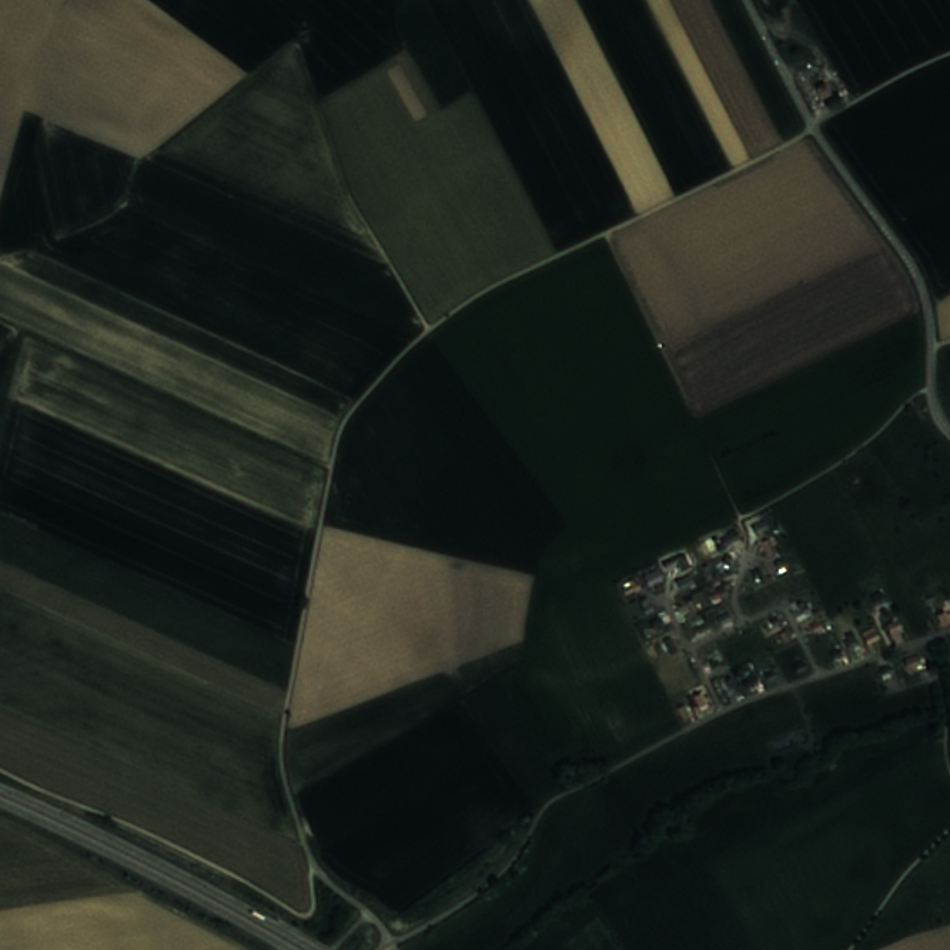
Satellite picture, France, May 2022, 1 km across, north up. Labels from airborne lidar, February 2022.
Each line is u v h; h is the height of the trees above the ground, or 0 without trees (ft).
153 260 0
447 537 0
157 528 0
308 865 0
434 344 0
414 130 0
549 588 0
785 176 0
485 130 0
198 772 0
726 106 0
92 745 0
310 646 0
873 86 0
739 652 0
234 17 0
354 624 0
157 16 0
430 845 0
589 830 0
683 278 0
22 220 0
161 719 0
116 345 0
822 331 0
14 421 0
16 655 0
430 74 0
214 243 0
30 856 0
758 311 0
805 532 0
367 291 0
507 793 0
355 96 0
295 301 0
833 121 0
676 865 0
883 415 0
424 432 0
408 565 0
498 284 0
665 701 0
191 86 0
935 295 0
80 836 0
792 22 0
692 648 0
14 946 0
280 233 0
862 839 0
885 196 0
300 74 0
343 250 0
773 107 0
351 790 0
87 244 0
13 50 0
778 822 0
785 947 0
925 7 0
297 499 0
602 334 0
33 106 0
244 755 0
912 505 43
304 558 0
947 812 0
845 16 0
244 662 0
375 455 0
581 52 0
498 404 0
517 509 0
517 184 0
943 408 0
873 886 0
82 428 0
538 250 0
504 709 0
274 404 0
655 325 0
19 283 0
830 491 0
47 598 0
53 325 0
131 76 0
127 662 0
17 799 0
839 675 0
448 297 0
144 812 0
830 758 53
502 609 0
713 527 0
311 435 0
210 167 0
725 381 0
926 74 0
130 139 0
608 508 0
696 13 0
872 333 0
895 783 0
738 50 0
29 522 0
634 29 0
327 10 0
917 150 0
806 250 0
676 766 0
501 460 0
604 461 0
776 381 0
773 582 0
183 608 0
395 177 0
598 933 0
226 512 0
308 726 0
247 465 0
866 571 0
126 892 0
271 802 0
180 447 0
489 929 0
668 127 0
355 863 0
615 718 0
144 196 0
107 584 0
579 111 0
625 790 0
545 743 0
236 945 0
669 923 0
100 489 0
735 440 0
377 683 0
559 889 0
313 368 0
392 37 0
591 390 0
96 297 0
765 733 0
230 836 0
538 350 0
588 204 0
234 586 0
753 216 0
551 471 0
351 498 0
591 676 0
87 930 0
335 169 0
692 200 0
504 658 0
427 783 0
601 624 0
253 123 0
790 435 0
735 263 0
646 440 0
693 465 0
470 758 0
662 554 0
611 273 0
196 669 0
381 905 0
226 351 0
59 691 0
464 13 0
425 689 0
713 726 0
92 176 0
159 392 0
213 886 0
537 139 0
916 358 0
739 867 0
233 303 0
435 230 0
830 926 0
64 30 0
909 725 50
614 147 0
